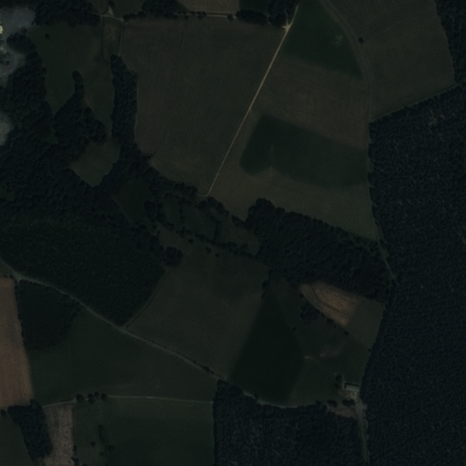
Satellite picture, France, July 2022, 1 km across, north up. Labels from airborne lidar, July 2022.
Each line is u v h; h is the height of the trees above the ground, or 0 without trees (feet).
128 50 0
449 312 45
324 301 0
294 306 0
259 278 0
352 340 0
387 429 52
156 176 48
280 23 52
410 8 0
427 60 0
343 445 75
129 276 22
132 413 0
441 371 79
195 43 0
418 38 0
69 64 0
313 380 0
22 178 32
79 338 0
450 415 66
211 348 0
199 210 32
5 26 0
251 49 0
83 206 76
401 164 69
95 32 0
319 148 0
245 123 0
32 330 42
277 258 52
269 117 0
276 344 0
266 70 0
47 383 0
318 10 0
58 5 71
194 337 0
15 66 0
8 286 0
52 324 43
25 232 20
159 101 0
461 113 66
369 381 72
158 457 0
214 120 0
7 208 62
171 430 0
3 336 0
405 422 70
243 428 77
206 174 0
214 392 0
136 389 0
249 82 0
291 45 0
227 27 0
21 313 33
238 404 74
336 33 0
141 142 0
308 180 0
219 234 41
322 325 0
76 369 0
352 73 0
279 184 0
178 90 0
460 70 70
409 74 0
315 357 0
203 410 0
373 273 54
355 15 0
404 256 68
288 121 0
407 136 72
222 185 0
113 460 0
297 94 0
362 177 0
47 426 57
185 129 0
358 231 0
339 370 0
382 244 55
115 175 82
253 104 0
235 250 36
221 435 79
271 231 56
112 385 0
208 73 0
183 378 0
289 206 0
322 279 40
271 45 0
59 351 0
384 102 0
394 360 74
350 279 60
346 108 0
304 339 0
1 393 0
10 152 29
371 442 61
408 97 0
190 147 0
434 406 78
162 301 0
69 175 103
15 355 0
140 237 68
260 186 0
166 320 0
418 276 69
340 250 49
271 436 90
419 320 55
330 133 0
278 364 0
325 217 0
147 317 0
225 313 0
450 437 61
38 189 81
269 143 0
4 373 0
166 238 0
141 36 0
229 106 0
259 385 0
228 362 0
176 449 0
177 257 79
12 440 0
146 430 0
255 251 0
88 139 20
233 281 0
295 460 107
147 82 0
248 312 0
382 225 61
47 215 81
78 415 0
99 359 0
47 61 0
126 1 0
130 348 0
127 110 71
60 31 0
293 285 52
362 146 0
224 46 0
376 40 0
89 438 0
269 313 0
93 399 35
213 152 0
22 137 33
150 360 0
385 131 68
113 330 0
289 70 0
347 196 0
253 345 0
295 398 0
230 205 0
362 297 22
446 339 73
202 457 0
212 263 0
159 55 0
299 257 45
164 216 62
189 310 0
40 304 39
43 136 56
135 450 0
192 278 0
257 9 0
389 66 0
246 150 0
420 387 58
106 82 0
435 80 0
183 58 0
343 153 0
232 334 0
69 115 58
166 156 0
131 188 0
